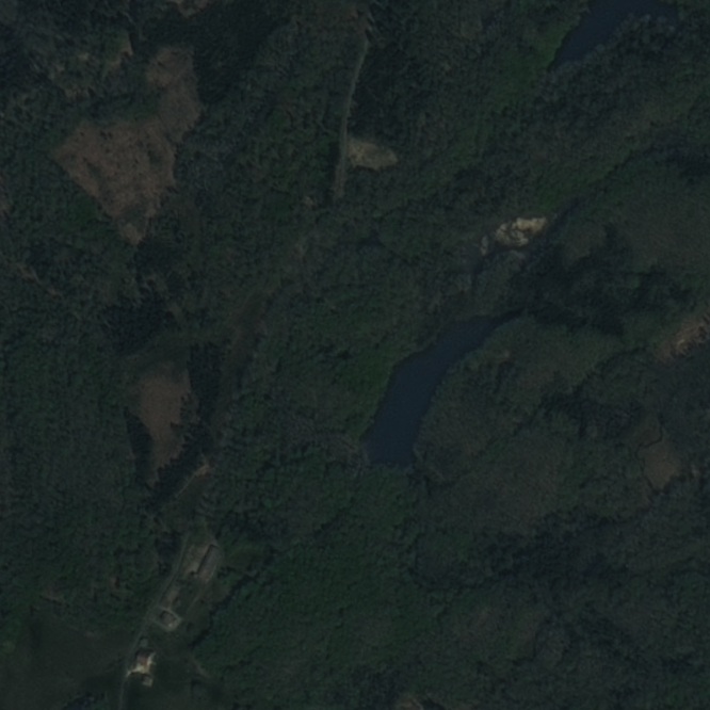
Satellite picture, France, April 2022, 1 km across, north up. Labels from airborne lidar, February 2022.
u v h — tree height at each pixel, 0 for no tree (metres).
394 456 0
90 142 0
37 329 14
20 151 20
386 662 18
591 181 23
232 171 20
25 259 20
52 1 25
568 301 20
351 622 22
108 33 23
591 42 0
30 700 0
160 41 9
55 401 22
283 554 24
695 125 23
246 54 11
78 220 17
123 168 0
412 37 26
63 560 23
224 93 10
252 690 9
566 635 21
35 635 0
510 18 17
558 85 8
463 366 22
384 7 35
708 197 20
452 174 27
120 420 22
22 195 24
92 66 8
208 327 28
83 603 22
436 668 13
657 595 26
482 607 20
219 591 0
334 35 23
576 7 26
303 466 25
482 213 27
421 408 0
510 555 31
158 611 0
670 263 23
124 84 24
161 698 0
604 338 20
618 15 0
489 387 22
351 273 27
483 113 26
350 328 22
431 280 31
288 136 21
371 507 22
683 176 20
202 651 16
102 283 16
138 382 0
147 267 21
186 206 0
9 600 19
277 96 18
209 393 12
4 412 6
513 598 25
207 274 15
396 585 23
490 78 20
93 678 0
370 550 27
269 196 23
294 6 9
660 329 27
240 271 17
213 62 9
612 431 32
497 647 22
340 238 33
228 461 24
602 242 20
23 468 23
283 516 24
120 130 0
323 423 27
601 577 32
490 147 19
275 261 24
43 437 20
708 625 20
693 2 27
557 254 22
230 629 18
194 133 8
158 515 9
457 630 20
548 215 0
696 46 22
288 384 32
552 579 33
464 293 12
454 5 17
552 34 19
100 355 17
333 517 26
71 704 0
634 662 21
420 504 21
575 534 17
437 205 17
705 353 23
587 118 17
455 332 0
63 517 23
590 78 15
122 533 21
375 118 6
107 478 25
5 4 27
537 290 23
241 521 19
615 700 21
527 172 18
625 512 15
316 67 27
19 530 20
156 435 0
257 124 26
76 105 19
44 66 25
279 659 18
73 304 19
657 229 0
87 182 0
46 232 21
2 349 17
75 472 24
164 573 24
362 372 24
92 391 22
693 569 15
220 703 0
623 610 18
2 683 0
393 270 24
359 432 15
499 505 18
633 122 23
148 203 0
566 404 27
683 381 21
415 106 12
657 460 0
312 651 21
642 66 21
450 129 15
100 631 16
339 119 15
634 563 24
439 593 16
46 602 18
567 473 21
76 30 27
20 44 31
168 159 0
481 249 0
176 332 23
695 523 22
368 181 19
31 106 16
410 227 22
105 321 11
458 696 22
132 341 26
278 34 23
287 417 19
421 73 18
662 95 22
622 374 20
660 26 24
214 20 9
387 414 0
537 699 21
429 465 22
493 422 21
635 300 22
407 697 25
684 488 23
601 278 20
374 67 9
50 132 14
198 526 17
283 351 21
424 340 16
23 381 21
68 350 23
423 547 19
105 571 27
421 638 17
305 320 27
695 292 22
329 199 15
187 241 27
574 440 23
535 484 16
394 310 22
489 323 0
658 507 24
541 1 25
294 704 18
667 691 20
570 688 16
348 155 0
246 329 0
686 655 26
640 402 23
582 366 24
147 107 9
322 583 22
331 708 20
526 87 26
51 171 25
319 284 25
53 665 0
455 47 18
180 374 0
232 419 27
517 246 0
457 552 19
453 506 22
